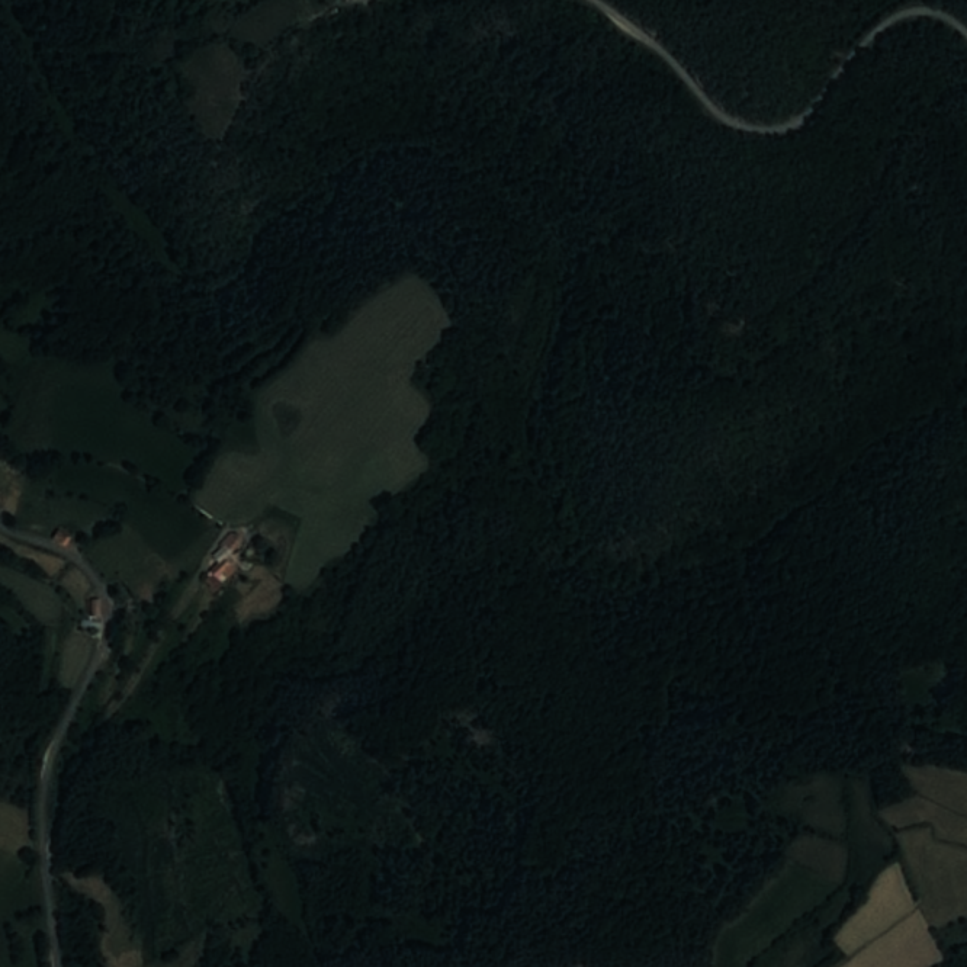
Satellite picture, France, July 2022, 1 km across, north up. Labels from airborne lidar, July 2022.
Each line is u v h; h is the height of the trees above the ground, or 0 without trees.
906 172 23
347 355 0
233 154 8
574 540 20
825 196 21
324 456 0
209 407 16
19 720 16
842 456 29
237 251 21
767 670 34
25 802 12
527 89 23
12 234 8
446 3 30
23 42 18
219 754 23
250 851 19
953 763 18
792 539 28
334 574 11
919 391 31
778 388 17
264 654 6
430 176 29
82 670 0
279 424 0
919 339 28
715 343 10
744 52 12
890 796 14
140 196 26
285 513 0
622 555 12
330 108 23
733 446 11
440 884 12
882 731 24
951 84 13
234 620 0
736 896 19
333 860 10
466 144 26
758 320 16
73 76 22
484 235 23
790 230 20
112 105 18
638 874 16
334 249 26
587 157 18
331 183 22
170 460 0
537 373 8
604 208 33
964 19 13
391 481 0
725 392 18
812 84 11
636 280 16
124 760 29
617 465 17
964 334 22
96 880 0
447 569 28
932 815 0
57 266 29
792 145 21
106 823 7
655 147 15
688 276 16
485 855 23
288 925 20
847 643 28
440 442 21
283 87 15
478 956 27
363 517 0
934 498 10
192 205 13
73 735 14
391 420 0
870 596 22
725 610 26
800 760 24
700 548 24
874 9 9
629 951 20
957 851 0
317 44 14
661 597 30
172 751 11
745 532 25
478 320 18
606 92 25
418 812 19
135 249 17
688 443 13
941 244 22
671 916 13
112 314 26
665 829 17
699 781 25
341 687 26
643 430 13
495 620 30
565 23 17
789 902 0
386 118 34
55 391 0
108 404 0
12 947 11
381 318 0
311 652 12
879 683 29
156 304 25
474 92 21
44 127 23
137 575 0
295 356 7
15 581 0
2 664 27
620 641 31
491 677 29
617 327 25
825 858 0
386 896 30
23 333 11
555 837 22
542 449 24
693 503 17
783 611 34
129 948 0
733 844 12
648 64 17
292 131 27
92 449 0
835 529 17
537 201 24
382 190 22
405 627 23
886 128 21
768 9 12
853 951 0
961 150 21
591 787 26
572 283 20
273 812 27
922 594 15
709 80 8
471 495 15
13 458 24
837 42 16
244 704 19
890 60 21
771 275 21
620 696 34
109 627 13
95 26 20
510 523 25
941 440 12
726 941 0
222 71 0
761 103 11
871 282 17
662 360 21
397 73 23
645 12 10
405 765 18
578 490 17
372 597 25
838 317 19
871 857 0
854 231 15
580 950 23
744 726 28
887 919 0
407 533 24
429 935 0
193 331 28
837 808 0
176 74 5
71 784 31
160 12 14
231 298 23
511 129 23
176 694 8
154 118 17
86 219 21
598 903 17
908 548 15
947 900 0
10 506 0
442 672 26
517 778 7
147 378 9
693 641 32
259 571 0
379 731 27
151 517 0
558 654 30
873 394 24
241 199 12
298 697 23
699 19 13
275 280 26
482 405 23
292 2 0
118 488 0
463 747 14
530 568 28
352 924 25
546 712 25
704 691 17
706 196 18
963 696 26
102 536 16
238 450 0
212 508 0
